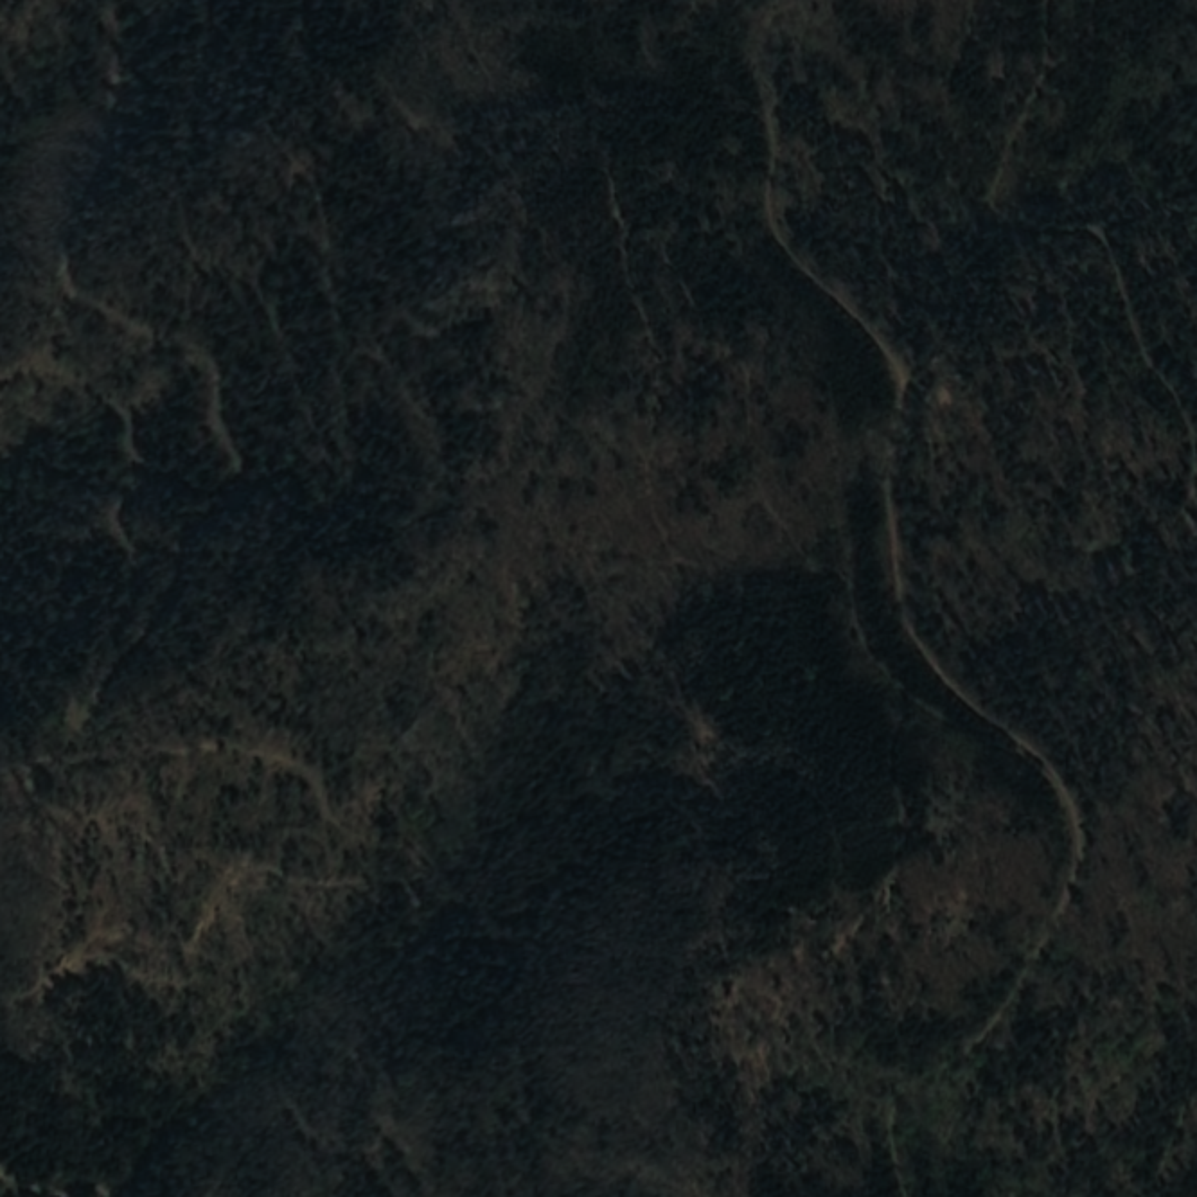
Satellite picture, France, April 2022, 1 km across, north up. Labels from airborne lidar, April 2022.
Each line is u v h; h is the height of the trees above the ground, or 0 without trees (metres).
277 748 20
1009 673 33
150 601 23
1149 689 31
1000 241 31
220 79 16
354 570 10
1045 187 20
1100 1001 28
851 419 17
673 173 16
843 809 21
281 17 14
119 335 13
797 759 25
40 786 20
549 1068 16
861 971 9
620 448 13
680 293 20
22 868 21
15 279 13
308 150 7
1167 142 26
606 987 19
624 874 22
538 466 16
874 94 17
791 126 34
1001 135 15
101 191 10
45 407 19
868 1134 13
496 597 18
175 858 16
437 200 18
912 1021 17
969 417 6
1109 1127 29
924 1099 20
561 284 23
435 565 12
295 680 7
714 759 9
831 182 37
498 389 10
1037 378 32
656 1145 16
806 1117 13
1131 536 30
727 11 27
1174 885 17
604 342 19
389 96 14
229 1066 27
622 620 13
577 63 13
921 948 13
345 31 19
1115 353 29
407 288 23
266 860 16
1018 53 20
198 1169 21
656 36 18
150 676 13
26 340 15
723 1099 13
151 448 7
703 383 8
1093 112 14
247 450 16
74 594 14
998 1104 22
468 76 12
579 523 7
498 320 13
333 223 8
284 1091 16
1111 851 13
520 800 31
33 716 16
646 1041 12
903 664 16
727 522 14
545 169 23
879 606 17
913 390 11
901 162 33
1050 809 14
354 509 12
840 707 21
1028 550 8
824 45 19
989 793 14
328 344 23
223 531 27
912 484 25
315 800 0
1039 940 7
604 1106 17
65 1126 26
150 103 6
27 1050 15
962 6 19
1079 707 31
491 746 31
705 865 16
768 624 23
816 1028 9
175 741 7
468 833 28
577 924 16
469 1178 24
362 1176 25
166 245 21
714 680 23
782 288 16
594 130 19
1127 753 10
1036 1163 10
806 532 15
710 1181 12
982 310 34
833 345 16
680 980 15
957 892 10
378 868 17
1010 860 15
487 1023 23
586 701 18
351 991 15
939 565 36
